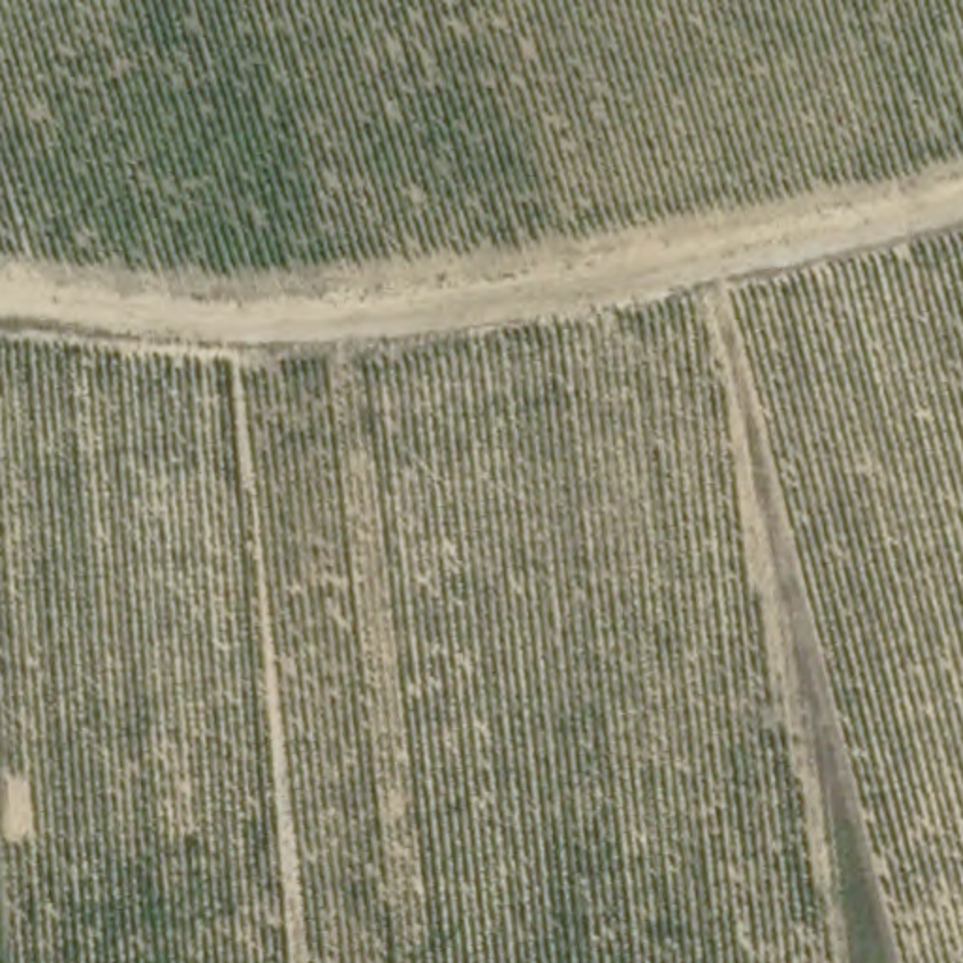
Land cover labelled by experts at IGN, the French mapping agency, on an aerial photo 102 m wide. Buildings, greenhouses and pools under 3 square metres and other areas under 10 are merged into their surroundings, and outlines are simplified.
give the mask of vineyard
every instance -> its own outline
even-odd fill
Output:
[[[884,245],[858,245],[835,256],[813,256],[794,267],[756,267],[730,275],[734,320],[722,327],[726,354],[718,357],[711,357],[711,331],[700,312],[703,293],[718,290],[715,278],[681,286],[666,301],[643,308],[598,308],[594,324],[560,320],[497,327],[489,335],[455,331],[331,342],[263,342],[256,369],[237,369],[229,361],[124,357],[117,350],[23,342],[19,331],[64,335],[68,320],[0,316],[0,963],[963,963],[963,222],[914,237],[903,233]]]
[[[813,192],[820,181],[876,184],[903,173],[922,173],[922,166],[929,162],[963,158],[963,0],[0,0],[0,256],[64,260],[75,267],[120,260],[128,271],[203,267],[214,275],[233,275],[241,267],[290,271],[293,263],[335,260],[425,260],[433,252],[466,256],[485,241],[500,248],[523,248],[542,241],[542,233],[587,237],[594,229],[651,226],[670,214],[696,214],[707,207],[726,211],[801,196]]]

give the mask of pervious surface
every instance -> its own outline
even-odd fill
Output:
[[[587,237],[542,233],[542,241],[523,248],[500,248],[485,241],[466,256],[433,252],[425,260],[335,260],[293,263],[290,271],[241,267],[233,275],[214,275],[203,267],[128,271],[120,260],[75,267],[64,260],[0,256],[0,316],[68,320],[64,335],[19,331],[23,342],[117,350],[124,357],[229,361],[237,369],[256,369],[263,342],[331,342],[455,331],[489,335],[497,327],[560,320],[594,324],[598,308],[643,308],[666,301],[681,286],[715,278],[718,290],[703,293],[700,312],[711,331],[711,357],[718,357],[726,354],[722,327],[734,320],[730,275],[756,267],[794,267],[813,256],[835,256],[858,245],[884,245],[903,233],[914,237],[963,222],[963,158],[929,162],[922,166],[922,173],[903,173],[876,184],[820,181],[813,192],[801,196],[726,211],[707,207],[696,214],[670,214],[651,226],[594,229]]]

